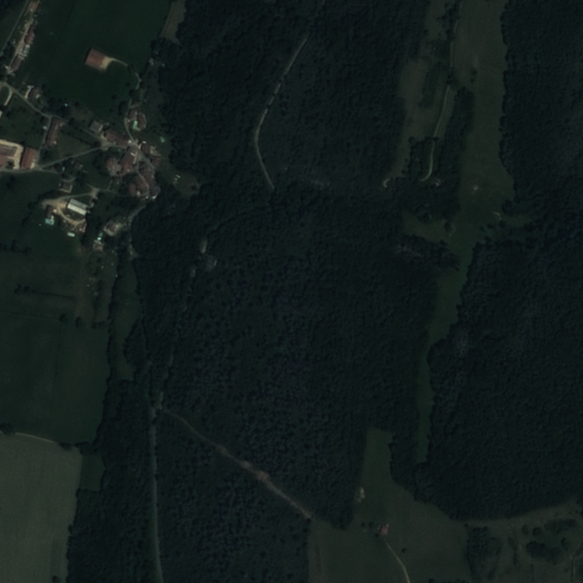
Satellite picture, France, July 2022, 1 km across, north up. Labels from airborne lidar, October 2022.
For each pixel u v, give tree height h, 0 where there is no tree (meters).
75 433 0
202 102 22
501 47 0
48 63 0
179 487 10
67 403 0
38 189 0
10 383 0
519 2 15
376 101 18
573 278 13
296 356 22
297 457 17
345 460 8
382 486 0
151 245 21
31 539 0
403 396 17
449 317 0
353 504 7
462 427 21
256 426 8
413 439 17
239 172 10
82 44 0
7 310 0
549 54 15
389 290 18
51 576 0
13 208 0
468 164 0
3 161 0
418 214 19
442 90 0
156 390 16
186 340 13
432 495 14
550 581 0
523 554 0
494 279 21
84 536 17
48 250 0
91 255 0
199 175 18
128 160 0
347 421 11
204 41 24
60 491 0
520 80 18
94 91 0
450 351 21
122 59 0
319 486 8
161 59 18
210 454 19
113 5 0
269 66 14
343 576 0
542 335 15
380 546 0
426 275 21
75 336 0
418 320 17
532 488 11
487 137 0
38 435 0
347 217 13
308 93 9
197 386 20
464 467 18
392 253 25
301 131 7
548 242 22
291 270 16
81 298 0
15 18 0
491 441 8
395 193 9
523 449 10
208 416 7
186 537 13
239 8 18
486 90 0
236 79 19
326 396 11
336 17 9
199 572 8
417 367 24
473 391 19
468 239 0
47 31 0
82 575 18
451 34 15
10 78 9
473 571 7
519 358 8
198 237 9
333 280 21
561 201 17
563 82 8
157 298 18
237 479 14
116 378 8
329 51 10
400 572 0
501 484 9
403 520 0
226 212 17
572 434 18
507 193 0
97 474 0
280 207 17
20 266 0
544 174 18
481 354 22
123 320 0
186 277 15
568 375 12
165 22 0
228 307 16
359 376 15
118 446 18
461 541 0
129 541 10
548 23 14
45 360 0
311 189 9
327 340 11
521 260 20
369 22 17
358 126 12
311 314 18
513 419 16
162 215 16
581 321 13
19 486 0
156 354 15
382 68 12
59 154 0
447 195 15
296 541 10
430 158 13
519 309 13
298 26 11
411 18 8
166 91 10
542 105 16
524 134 19
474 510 17
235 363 15
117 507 16
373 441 0
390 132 12
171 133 19
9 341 0
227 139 10
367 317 16
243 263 7
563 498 7
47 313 0
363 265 12
